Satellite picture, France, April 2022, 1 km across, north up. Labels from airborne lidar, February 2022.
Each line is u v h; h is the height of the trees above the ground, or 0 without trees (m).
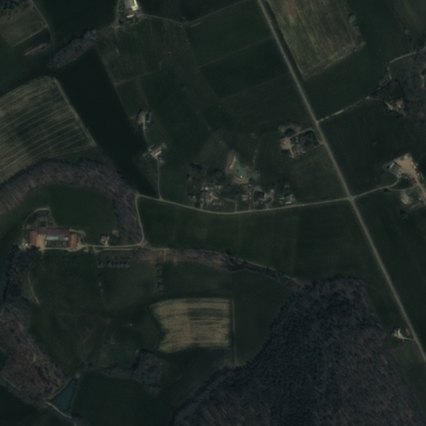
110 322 0
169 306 0
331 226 0
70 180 28
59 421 0
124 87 0
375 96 9
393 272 0
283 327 21
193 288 0
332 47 0
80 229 0
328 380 25
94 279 0
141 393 0
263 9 0
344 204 0
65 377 16
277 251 0
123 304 0
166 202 0
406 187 0
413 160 0
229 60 0
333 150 0
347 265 0
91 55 0
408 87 12
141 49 0
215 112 0
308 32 0
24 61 0
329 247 0
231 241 0
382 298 0
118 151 0
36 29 0
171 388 0
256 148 0
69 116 0
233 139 0
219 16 0
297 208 0
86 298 0
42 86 0
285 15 0
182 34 0
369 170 0
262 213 0
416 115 0
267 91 0
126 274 0
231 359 0
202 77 0
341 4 0
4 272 0
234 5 0
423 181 0
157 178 0
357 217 0
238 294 0
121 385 0
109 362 0
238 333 0
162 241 0
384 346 30
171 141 0
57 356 0
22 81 0
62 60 21
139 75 0
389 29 0
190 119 0
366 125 0
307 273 0
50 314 0
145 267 0
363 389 25
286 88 0
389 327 0
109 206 0
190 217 0
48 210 0
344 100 0
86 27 0
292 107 0
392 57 0
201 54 0
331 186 0
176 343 0
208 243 0
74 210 0
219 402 25
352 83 0
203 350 0
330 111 0
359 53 0
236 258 27
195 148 0
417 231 0
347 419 27
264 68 0
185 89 12
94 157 0
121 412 0
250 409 23
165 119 0
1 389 0
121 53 0
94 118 0
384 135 0
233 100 0
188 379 0
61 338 0
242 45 0
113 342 0
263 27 0
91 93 0
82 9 0
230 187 8
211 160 0
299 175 0
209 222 0
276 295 0
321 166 0
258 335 0
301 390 22
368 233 0
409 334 0
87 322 0
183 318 0
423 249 0
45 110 0
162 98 0
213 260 26
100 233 0
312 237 0
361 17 0
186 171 0
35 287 0
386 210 0
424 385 0
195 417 20
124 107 0
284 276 12
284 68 0
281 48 0
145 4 0
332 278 0
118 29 0
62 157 0
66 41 0
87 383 0
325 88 0
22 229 0
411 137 0
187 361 0
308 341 23
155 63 0
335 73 0
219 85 0
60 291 0
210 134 0
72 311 0
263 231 0
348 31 0
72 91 0
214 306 0
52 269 0
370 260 0
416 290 0
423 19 0
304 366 29
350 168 0
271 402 24
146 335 0
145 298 0
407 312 0
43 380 11
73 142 0
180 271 0
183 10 0
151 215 0
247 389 29
